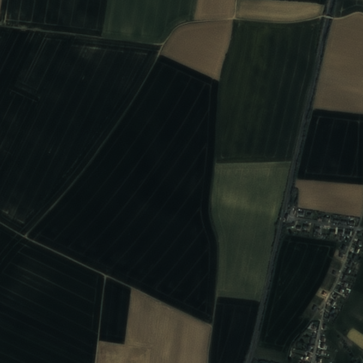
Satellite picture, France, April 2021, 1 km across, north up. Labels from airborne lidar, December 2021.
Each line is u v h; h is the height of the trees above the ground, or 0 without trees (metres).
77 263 0
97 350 0
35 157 0
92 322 0
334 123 0
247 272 0
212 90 0
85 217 0
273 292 0
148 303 0
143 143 0
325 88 0
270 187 0
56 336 0
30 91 0
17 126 0
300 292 0
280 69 0
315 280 0
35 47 0
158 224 0
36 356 0
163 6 0
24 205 0
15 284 0
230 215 0
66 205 0
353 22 0
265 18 0
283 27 0
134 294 0
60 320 0
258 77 0
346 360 0
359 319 0
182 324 0
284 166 0
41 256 0
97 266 0
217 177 0
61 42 0
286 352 0
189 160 0
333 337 0
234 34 0
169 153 0
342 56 0
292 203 8
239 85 0
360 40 0
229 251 0
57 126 0
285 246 0
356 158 0
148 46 0
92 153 0
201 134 0
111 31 0
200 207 0
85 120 0
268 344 0
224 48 0
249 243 0
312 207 0
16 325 0
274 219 0
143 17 0
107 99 0
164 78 0
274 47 0
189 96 0
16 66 0
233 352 0
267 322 0
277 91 0
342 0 0
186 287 0
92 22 0
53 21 0
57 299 0
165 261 0
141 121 0
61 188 0
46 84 0
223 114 0
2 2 0
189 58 0
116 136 0
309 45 0
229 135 0
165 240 0
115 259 0
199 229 0
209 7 0
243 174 0
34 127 0
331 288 0
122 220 0
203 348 0
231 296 0
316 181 0
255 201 0
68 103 0
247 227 0
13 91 0
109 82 0
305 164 0
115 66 0
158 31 0
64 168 0
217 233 0
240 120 0
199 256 0
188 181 0
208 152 0
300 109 0
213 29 0
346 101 0
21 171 0
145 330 0
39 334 0
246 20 0
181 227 0
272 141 0
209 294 0
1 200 0
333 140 0
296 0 0
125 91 0
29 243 0
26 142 0
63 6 0
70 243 0
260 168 0
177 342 0
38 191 0
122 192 0
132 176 0
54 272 0
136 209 0
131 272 0
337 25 0
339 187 0
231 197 0
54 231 0
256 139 0
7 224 0
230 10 0
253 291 0
